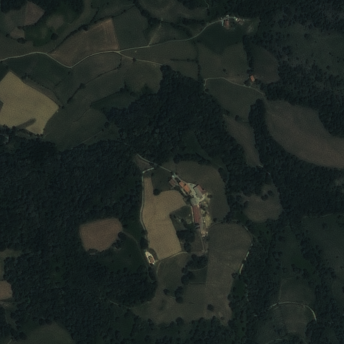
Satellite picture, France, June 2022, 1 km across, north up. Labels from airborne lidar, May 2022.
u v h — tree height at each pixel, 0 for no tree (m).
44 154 22
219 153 17
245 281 25
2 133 11
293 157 10
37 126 0
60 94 0
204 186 0
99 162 20
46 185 21
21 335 19
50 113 0
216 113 30
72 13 0
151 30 0
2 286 0
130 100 0
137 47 0
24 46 0
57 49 0
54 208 20
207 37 0
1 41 0
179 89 24
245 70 0
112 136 0
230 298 16
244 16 10
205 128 22
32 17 0
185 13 0
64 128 0
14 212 13
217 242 0
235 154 26
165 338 8
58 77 0
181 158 31
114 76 0
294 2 8
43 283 20
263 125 15
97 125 0
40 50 0
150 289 21
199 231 0
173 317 0
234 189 18
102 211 16
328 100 12
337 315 16
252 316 15
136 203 15
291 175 15
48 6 22
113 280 22
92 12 0
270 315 0
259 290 13
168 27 0
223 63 0
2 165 20
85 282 6
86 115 0
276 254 15
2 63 9
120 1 0
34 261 20
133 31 0
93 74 0
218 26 0
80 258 8
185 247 11
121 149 14
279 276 0
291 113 0
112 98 0
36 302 18
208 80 0
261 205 0
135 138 19
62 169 23
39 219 23
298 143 0
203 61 0
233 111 0
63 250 9
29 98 0
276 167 11
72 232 16
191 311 0
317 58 0
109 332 16
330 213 14
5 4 19
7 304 0
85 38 0
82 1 19
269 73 0
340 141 0
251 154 0
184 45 0
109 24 0
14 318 19
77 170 16
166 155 18
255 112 14
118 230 0
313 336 20
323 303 12
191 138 0
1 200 10
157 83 0
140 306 0
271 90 15
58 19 0
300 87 12
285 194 24
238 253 0
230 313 0
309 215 14
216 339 15
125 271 14
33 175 18
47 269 14
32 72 0
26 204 19
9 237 11
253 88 0
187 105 24
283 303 0
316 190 13
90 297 14
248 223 11
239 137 0
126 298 20
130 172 13
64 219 19
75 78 0
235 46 0
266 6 14
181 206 0
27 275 20
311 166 10
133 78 0
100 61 0
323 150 0
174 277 0
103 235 0
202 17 0
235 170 22
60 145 0
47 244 20
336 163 0
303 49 0
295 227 8
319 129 0
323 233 0
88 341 22
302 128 0
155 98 22
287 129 0
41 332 0
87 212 8
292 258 0
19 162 22
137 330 14
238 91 0
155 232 0
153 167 20
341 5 18
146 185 0
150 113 30
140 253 0
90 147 13
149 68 0
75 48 0
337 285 0
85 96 0
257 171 15
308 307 0
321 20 15
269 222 10
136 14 0
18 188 22
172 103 21
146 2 0
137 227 0
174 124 22
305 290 0
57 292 23
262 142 20
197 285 0
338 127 16
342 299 0
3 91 0
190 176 0
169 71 22
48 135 0
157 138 21
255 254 13
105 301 11
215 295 0
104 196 20
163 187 0
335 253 0
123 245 8
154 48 0
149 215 0
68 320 19
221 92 0
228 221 14
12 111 0
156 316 0
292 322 0
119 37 0
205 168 0
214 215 0
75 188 11
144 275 14
